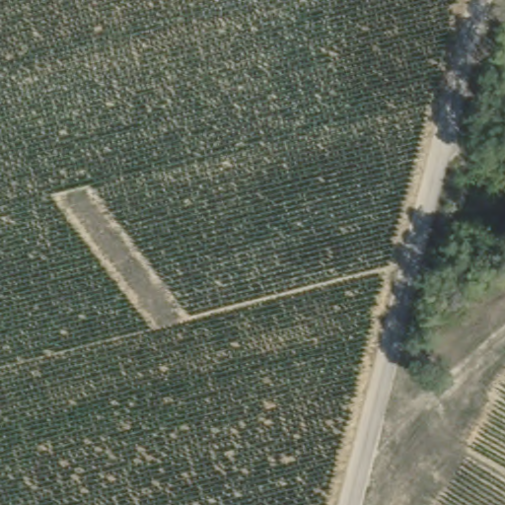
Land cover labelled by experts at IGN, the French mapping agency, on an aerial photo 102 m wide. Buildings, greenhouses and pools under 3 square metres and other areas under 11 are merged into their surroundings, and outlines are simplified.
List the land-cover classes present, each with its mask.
<instances>
[{"label":"vineyard","instance_id":"1","mask_svg":"<svg viewBox=\"0 0 505 505\"><path fill-rule=\"evenodd\" d=\"M469 0H0V505H325L329 497L337 452L345 436L347 422L351 418V412L343 406L351 404L355 397L361 367L373 373L377 355L383 353L379 345L381 316L389 306L395 304L391 286L400 282L404 276L400 266L393 262V252L402 241L404 231H412V223L408 219L410 207L402 201L406 197L408 183L412 178L422 128L426 122H434L432 83L440 75L448 77V73L452 71L444 63L446 41L440 39V36L442 32L454 30L456 20L460 16L468 18ZM464 452L471 466L460 475V479H450V491L442 505H505V369L493 379L487 393V402L483 404L479 416L473 420V426L466 438Z\"/></svg>","mask_w":505,"mask_h":505},{"label":"pervious surface","instance_id":"2","mask_svg":"<svg viewBox=\"0 0 505 505\"><path fill-rule=\"evenodd\" d=\"M468 18L460 16L456 20L454 30L442 32L440 36V39L446 41L444 63L452 71L448 73V77L440 75L432 83L434 122H426L422 128L412 178L408 183L406 197L402 201L410 207L408 219L412 223V231H404L402 241L393 252V262L400 266L404 276L400 282L391 286L395 304L389 306L381 316L379 345L383 353L377 355L373 373L361 367L355 397L351 404L343 406L351 412V418L347 422L345 436L337 452L329 497L325 505H363L365 489L371 481L373 464L379 454L385 408L391 397L395 373L400 367L404 369L410 363L428 365V351L410 355L408 341L424 335V327L418 320V300L424 298L422 288L426 282V272L418 270V262L426 239L430 235L428 215L436 211L446 168L450 160H454L460 154V144L466 140V132H469L464 124V116L479 112L481 85L477 83V63L497 53L503 47V43L497 39V36H503V28L493 14L495 4L491 0H469Z\"/></svg>","mask_w":505,"mask_h":505},{"label":"herbaceous vegetation","instance_id":"3","mask_svg":"<svg viewBox=\"0 0 505 505\"><path fill-rule=\"evenodd\" d=\"M495 4L493 14L503 28V36H497V39L503 43H505V0H491ZM438 325L442 329L440 333H432L428 337V353H440L452 367V383L446 391H422L404 369L400 367L395 373L391 397L385 408L379 454L373 464L371 481L365 489L363 505H442L450 491V479H460V475L471 466L464 452L466 438L473 426V420L479 416L483 404L487 402V393L493 379L505 369V266L501 270L481 272L477 284H468V294L458 302V308L438 318Z\"/></svg>","mask_w":505,"mask_h":505},{"label":"coniferous trees","instance_id":"4","mask_svg":"<svg viewBox=\"0 0 505 505\"><path fill-rule=\"evenodd\" d=\"M477 83L481 85L479 112L464 116V124L469 132H466V140L460 144V154L454 160H450L446 168L436 211L428 215L430 235L426 239L418 262V270L426 272V282L422 288L424 298L418 300V320L424 327V335L408 341L410 355L428 351V337L432 333H440L442 329L438 325V318L458 308V302L468 294V284H477L481 272L501 270L505 266V43H503V47L497 53L477 63ZM428 365L410 363L404 369L422 391H446L452 383V367L440 353H428Z\"/></svg>","mask_w":505,"mask_h":505}]
</instances>
